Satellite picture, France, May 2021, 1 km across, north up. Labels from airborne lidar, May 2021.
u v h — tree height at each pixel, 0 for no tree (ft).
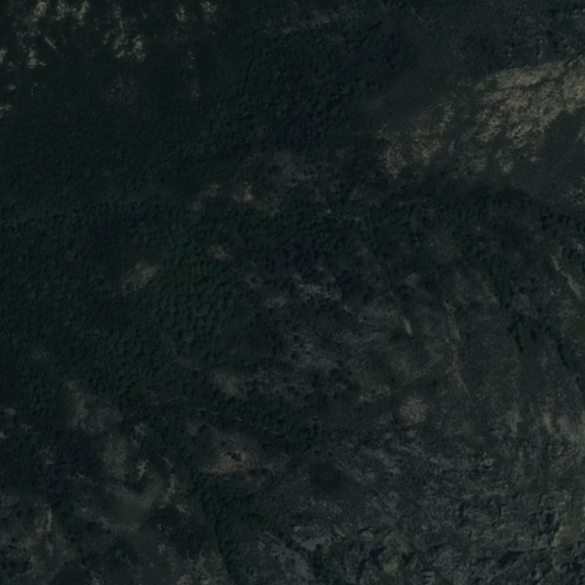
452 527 0
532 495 0
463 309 24
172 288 38
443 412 0
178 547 20
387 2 46
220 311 59
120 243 29
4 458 30
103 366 26
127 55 19
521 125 0
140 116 23
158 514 26
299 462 21
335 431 21
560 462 0
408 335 19
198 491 56
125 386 51
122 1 22
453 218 38
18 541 23
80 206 34
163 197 20
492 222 23
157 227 30
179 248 42
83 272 44
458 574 0
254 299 25
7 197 55
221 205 54
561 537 0
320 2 38
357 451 22
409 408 0
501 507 34
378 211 46
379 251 36
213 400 36
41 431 26
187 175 23
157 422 79
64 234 26
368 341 0
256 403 38
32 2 31
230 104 77
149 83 19
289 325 24
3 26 22
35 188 62
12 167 51
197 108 28
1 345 43
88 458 28
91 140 50
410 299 51
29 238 25
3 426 20
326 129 22
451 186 19
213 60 20
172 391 21
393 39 32
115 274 23
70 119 30
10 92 23
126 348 27
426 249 21
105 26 22
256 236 18
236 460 28
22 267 29
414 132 0
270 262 32
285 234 56
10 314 37
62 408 23
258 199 29
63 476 40
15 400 43
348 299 30
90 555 22
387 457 0
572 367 44
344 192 24
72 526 48
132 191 59
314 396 40
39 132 36
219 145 35
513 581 0
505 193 24
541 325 30
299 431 51
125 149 36
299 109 25
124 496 0
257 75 30
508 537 0
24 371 55
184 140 35
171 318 76
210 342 35
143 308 28
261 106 24
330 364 0
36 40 21
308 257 41
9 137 42
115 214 31
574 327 0
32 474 22
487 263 61
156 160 31
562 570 0
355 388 39
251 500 63
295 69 27
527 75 0
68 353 36
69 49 22
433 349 0
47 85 20
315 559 34
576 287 0
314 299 27
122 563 20
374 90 18
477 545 0
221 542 42
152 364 34
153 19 21
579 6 41
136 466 23
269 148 33
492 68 30
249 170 27
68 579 18
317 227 67
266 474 41
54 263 40
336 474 21
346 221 25
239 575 53
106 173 45
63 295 25
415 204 25
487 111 0
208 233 35
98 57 22
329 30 38
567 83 0
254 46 52
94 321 33
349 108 28
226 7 21
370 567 0
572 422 0
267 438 22
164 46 24
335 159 53
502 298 41
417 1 28
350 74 21
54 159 65
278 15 23
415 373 0
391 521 0
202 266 58
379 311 0
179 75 43
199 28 19
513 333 57
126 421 27
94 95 23
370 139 30
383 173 22
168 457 28
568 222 63
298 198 27
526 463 0
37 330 44
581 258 57
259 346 20
